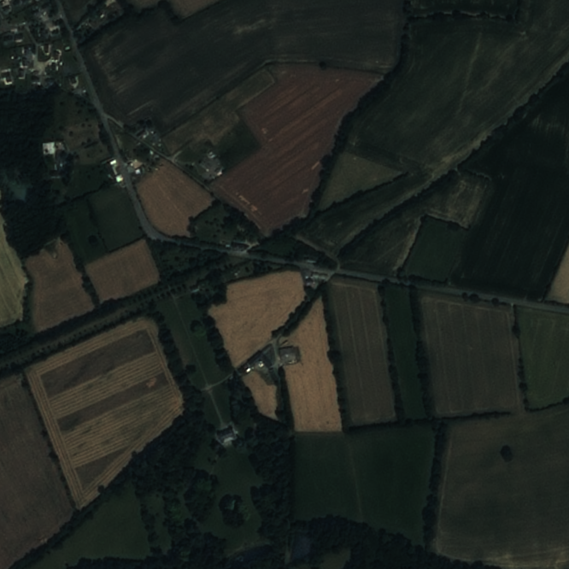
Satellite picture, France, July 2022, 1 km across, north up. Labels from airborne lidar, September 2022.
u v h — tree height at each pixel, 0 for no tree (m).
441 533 0
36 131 21
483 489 0
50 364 0
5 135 17
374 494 0
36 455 0
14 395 0
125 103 0
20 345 10
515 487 0
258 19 0
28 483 0
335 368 8
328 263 13
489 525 0
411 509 0
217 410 0
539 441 0
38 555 15
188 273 15
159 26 0
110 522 0
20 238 17
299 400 0
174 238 9
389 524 0
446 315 0
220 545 12
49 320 0
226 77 0
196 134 0
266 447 23
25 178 16
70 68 0
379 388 0
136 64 0
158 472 30
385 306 13
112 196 0
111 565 22
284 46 0
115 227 0
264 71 0
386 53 0
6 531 0
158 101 0
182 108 0
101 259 0
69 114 0
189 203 0
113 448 0
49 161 10
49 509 0
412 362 0
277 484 19
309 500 0
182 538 19
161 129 0
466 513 0
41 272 0
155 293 10
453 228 11
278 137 0
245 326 0
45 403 0
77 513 12
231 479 0
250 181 0
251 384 0
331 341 11
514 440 0
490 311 0
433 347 0
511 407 0
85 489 0
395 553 12
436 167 0
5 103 19
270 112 0
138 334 0
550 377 0
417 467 0
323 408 0
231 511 31
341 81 0
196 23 0
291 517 12
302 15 0
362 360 0
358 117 9
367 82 0
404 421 14
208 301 16
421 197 11
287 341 0
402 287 13
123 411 0
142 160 0
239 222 17
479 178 7
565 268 0
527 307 0
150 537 8
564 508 0
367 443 0
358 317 0
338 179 0
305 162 0
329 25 0
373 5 0
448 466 0
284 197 0
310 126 0
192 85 0
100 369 0
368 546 12
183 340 0
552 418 0
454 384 0
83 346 0
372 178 0
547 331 0
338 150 9
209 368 0
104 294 0
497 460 0
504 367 0
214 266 12
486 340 0
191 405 26
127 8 13
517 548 0
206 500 21
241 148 0
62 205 9
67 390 0
